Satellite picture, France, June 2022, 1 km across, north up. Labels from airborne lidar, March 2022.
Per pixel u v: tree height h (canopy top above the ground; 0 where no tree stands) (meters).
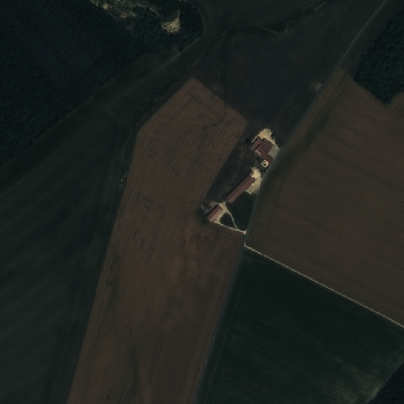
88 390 0
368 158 0
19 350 0
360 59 0
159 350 0
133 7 0
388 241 0
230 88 0
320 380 0
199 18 9
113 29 20
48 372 0
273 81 0
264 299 0
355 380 0
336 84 0
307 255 0
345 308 0
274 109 0
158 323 0
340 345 0
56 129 0
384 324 0
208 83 0
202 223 0
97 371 0
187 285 0
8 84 15
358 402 0
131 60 17
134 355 0
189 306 0
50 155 0
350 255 0
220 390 0
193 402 0
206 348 0
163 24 0
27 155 0
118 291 0
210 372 0
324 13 0
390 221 0
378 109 0
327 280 0
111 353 0
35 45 15
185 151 0
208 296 0
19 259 0
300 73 0
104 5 0
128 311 0
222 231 0
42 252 0
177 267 0
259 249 0
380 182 0
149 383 0
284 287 0
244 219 0
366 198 0
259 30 0
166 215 0
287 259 0
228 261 0
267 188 0
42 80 15
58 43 15
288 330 0
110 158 0
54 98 15
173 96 0
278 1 0
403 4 0
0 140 19
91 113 0
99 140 0
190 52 0
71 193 0
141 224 0
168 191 0
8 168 0
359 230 0
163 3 18
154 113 0
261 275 0
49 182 0
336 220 0
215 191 0
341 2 0
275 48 0
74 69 16
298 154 0
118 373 0
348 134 0
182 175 0
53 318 0
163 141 0
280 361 0
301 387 0
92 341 0
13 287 0
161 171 0
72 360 0
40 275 0
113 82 0
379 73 13
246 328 0
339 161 0
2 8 16
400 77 10
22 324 0
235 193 0
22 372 0
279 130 0
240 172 0
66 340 0
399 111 0
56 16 14
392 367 0
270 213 0
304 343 0
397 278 0
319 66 0
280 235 0
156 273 0
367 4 0
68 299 0
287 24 0
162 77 0
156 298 0
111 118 0
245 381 0
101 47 15
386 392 21
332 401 0
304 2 0
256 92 0
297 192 0
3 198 0
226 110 0
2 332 0
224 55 0
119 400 0
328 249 0
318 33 0
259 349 0
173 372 0
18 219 0
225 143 0
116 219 0
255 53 0
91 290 0
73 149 0
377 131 0
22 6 15
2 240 0
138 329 0
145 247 0
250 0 0
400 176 0
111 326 0
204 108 0
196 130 0
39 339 0
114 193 0
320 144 0
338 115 0
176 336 0
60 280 0
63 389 0
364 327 0
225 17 0
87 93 13
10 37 17
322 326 0
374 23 0
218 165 0
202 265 0
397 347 0
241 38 0
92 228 0
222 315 0
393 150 0
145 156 0
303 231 0
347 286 0
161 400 0
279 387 0
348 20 0
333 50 0
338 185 0
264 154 0
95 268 0
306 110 0
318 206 0
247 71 0
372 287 0
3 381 0
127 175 0
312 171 0
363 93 0
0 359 0
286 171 0
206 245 0
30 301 0
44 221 0
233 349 0
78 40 16
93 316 0
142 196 0
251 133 0
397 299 0
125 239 0
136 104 0
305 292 0
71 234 0
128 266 0
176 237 0
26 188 0
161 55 0
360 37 0
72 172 0
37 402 0
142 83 0
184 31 8
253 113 0
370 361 0
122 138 0
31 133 11
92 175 0
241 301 0
